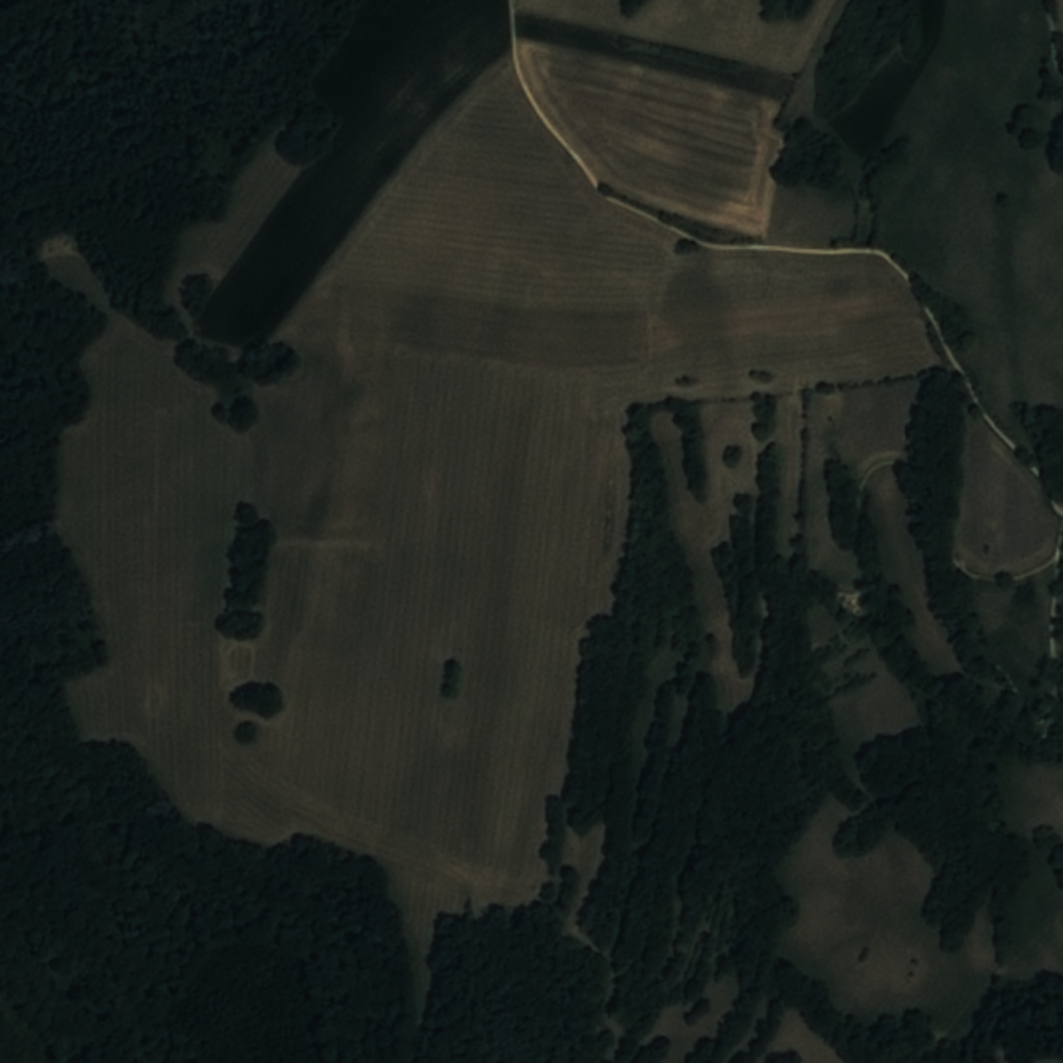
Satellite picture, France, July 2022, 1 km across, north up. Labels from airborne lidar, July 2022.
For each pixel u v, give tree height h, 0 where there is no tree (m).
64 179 26
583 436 0
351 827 0
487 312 0
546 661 0
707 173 0
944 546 19
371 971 26
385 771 0
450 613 0
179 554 0
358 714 0
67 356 20
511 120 0
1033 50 0
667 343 0
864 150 0
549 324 0
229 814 0
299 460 0
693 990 17
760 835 17
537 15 0
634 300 0
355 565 0
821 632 0
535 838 0
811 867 0
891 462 0
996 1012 22
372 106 0
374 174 0
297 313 0
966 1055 11
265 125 15
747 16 0
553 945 18
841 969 0
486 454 0
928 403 19
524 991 20
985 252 0
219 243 0
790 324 0
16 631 23
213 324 0
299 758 0
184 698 0
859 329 0
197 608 0
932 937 0
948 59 0
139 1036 19
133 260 20
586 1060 12
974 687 17
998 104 0
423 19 0
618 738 16
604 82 0
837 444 0
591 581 0
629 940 17
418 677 0
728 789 24
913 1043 21
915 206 0
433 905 0
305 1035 8
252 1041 6
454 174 0
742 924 15
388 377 0
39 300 23
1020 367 0
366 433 0
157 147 23
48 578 24
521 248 0
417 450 0
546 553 0
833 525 11
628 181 0
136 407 0
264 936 23
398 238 0
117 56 19
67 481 0
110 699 0
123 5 23
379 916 30
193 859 23
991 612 0
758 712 17
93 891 30
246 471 0
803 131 15
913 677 18
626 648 12
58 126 16
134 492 0
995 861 18
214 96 17
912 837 17
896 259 8
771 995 8
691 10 0
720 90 0
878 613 25
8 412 24
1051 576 0
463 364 0
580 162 0
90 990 21
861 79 8
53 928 23
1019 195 0
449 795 0
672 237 0
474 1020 16
